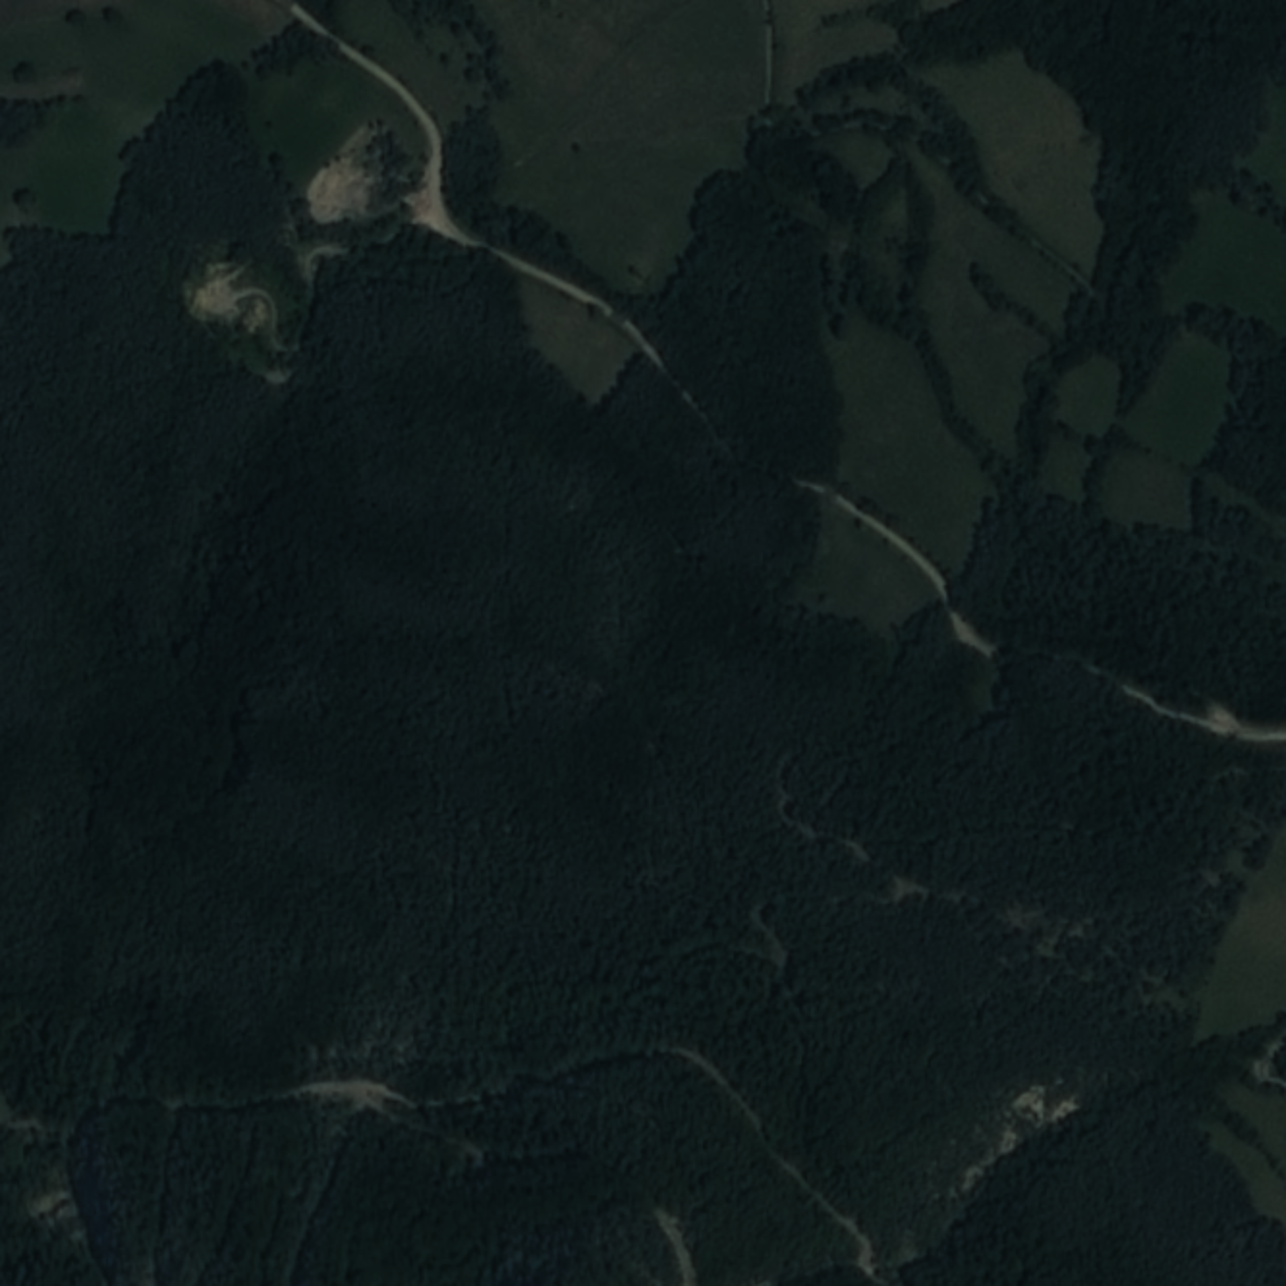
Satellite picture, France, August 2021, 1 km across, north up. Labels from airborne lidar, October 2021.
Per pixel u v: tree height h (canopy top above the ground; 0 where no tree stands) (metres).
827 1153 24
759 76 0
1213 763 6
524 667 18
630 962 25
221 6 0
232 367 17
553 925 24
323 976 21
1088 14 17
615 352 0
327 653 17
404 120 0
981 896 9
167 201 17
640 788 22
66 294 15
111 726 27
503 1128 20
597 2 0
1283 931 0
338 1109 8
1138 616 22
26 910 17
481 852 17
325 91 0
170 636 14
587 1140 24
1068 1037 17
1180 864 14
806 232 18
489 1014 14
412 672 21
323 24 12
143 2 0
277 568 32
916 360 0
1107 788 6
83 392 14
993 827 13
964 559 0
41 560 17
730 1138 24
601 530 10
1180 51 23
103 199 0
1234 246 0
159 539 18
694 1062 13
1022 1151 14
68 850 21
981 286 16
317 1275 13
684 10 0
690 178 0
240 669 29
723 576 24
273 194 19
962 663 26
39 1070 17
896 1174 12
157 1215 12
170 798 30
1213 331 13
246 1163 12
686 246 0
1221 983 0
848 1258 10
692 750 19
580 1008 18
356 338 17
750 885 21
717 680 10
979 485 0
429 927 19
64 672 16
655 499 22
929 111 12
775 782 16
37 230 10
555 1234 10
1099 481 11
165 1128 15
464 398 22
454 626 20
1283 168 0
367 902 21
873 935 14
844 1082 23
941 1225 11
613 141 0
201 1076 18
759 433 25
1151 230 21
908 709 18
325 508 20
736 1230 20
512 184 0
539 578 17
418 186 11
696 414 18
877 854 14
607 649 11
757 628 16
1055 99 0
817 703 17
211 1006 22
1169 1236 15
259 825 19
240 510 17
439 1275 15
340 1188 14
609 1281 12
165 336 17
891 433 0
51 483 16
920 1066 23
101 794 25
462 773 17
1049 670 18
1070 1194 15
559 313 0
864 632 18
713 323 27
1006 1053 16
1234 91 18
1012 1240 19
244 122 12
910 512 0
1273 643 7
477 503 18
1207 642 10
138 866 26
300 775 24
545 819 24
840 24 10
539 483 13
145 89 0
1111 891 12
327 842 22
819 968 19
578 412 21
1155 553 15
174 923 22
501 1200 19
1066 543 13
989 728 18
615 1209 13
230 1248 12
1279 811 14
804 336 18
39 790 15
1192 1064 21
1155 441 0
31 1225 14
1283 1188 0
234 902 22
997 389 0
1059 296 0
